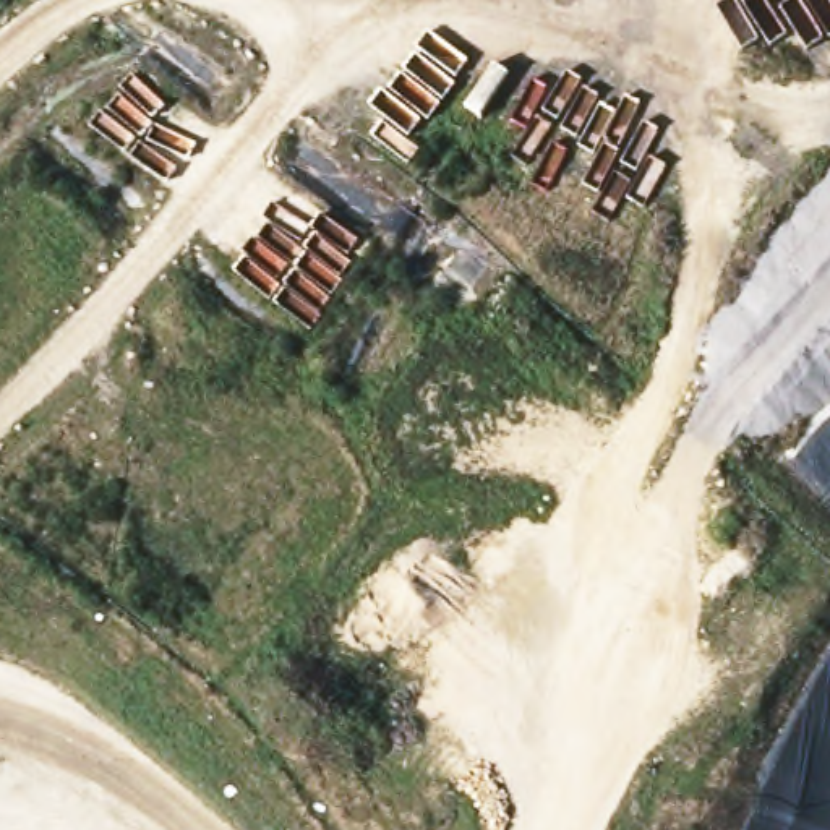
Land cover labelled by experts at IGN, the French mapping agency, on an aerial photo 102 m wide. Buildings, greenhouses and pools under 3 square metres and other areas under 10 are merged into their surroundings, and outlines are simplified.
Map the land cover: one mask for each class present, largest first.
<instances>
[{"label":"pervious surface","instance_id":"1","mask_svg":"<svg viewBox=\"0 0 830 830\"><path fill-rule=\"evenodd\" d=\"M94 16L104 23V32L117 36L123 45L120 52L97 55L58 78H49L42 97L23 107L0 133V159L10 162L16 152L19 143L32 136L52 146L62 162H78L94 175V182L110 185V165L91 156L81 139L62 130L68 120L78 117L81 101L88 94L110 91L120 110L117 117H101V123L113 136H120V156L126 159L120 175L130 185L123 195L126 208L97 230L104 240L78 263V279L84 282V305L36 350V357L16 376H10L0 386V428L13 431L29 409H36L55 386L65 383L68 373H78L84 383H94L101 402L117 399L120 389L110 379L107 340L113 337L123 314H133L136 295L169 263H175V256L188 246L195 233H204L211 243L227 250L230 266H240V276L253 282L259 292H279V305L305 324H314L327 298L337 295V282L347 272V266L360 263L370 253L366 237L373 230L386 246L409 253L402 269L412 282V292H421L434 282H454L460 285L464 302H477V282L486 272H503L506 259L486 243H480L473 233H457L447 220L434 214L431 201L418 188V162L412 159L415 143L409 136L421 120H431L460 101L470 113L486 110L493 117H503V126L509 130L512 143L503 149V156L512 159V165H532V178L538 188L554 191L561 178L571 172L574 159L587 162V182L600 188L593 214L619 220L626 204H652L665 214L668 224L661 230V240L671 253H684V266L674 292L671 331L661 340L652 379L635 396V402H629L613 425L597 428L564 405L545 399H519L525 415L522 425L499 418L496 438L464 447L454 457V470L460 473H522L538 483H548L541 490L535 512L528 519H516L509 528L499 532H473L470 538L441 541L418 538L409 548H402L392 561H386L373 577H366L357 587V610L347 616V623L334 629V635L353 652H357L396 648L399 671L392 674V746L405 749L428 739V772H444L454 778V785L480 811L483 830H606L642 762H674L694 768L697 759L710 749L713 736L726 729V720L739 717L742 710L755 713V729L749 742L739 746V762L729 775V785L713 788L704 798V804H710V814L681 830H830V593L824 597L817 587H788L781 597H739L729 587V580L736 574H746L759 554L772 558L778 551L781 528L768 525L762 535L759 528L746 525L742 538L733 548H726L707 528L717 525V516L729 506L726 480L720 473V457L726 444L739 434H775L798 415H807L811 425L804 438L794 447L781 451V460L788 467L778 473L772 490L794 503V509L811 528L830 535V172L820 185H814V191L798 208L785 204V195L794 188L801 156L817 146H830V0H0V84L16 88V75L26 65L42 62L52 42H58L68 29L91 23ZM775 42H791L801 55H807L814 62V78L794 84L788 75H781L765 55ZM379 334L376 311H370V318L360 324L357 340L350 347V363L363 370L370 347ZM311 428L324 434L340 464L350 470L353 512L363 516L370 493L363 483V470L344 444V434L321 412H314ZM0 830H237L172 768L156 762L123 729L91 713L71 694L23 671L19 665L0 668Z\"/></svg>","mask_w":830,"mask_h":830},{"label":"herbaceous vegetation","instance_id":"2","mask_svg":"<svg viewBox=\"0 0 830 830\"><path fill-rule=\"evenodd\" d=\"M123 45L117 36L104 32V23L94 16L91 23L68 29L58 42H52L42 62L26 65L16 75V88L0 84V133L23 107L42 97L49 78H58L97 55L120 52ZM120 110L110 91L88 94L81 101L78 117L68 120L62 130L81 139L91 156L110 165V185L123 195L130 185L120 175L126 159L120 156V136H113L101 123V117H117ZM431 130V136H454L470 152L473 172L457 185L444 188L438 185V175L418 169V188L431 201L434 214L447 220L457 233H473L480 243H486L506 259L503 272H486L477 282V302H464L460 285L454 282H434L421 292V298L409 305L399 295H389V305L376 311L379 334L370 347L363 370L360 396H344L337 386L324 379V357L289 353L285 334H298L305 324L279 305V292H259L253 282L240 276V266H230L227 250L211 243L204 233H195L188 246L175 256V263H169L136 295L133 314H123L113 337L107 340L110 379L120 389L117 399L101 402L94 383H84L78 373H68L65 383L55 386L36 409H29L13 431L0 428V668L19 665L23 671L71 694L91 713L123 729L156 762L172 768L237 830H483L480 811L454 785V778L444 772H428V739L405 749L392 746V752L386 759H376L370 772H357L344 713L321 697L298 700L289 684H282L279 671L285 668V658L295 648L314 658L337 661H344L353 652L334 635V629L347 623V616L357 610V587L366 577H373L386 561H392L402 548H409L418 538L441 541L470 538L473 532H499L509 528L516 519H528L535 512L541 490L548 483H538L522 473H460L454 470V457L464 447L496 438L499 418L522 425L525 415L519 399H545L564 405L597 428L613 425L629 402H635V396L652 379L661 340L671 331L674 292L684 266V253H671L661 240V230L668 224L665 214L652 204H626L619 220L593 214L600 188L587 182V162L574 159L571 172L561 178L554 191L538 188L532 178V165H512V159L503 156V149L512 143L509 130L503 126V117H493L486 110L470 113L460 101L431 120H421ZM314 412H321L344 434V444L363 470V483L370 493L363 516L353 512L350 470L340 464L324 434L311 428ZM117 477L130 480L126 506H139L152 519V525L146 528L149 551L172 558L182 574H198L204 587L214 593V603H201L195 613L182 619L175 632L139 610V597L133 593L136 574L126 567L123 554L126 522H91L78 541L58 532V519L68 509V503H84L104 480ZM26 528L42 545L75 561L88 577H94L110 593L101 613L75 587L58 584L42 558L23 551L19 538ZM39 169L29 156L16 152L10 162L0 159V386L10 376H16L36 357V350L84 305V282L78 279V263L104 240L97 230L94 220L84 217L71 201L32 188V175ZM811 425L807 415H798L775 434H739L726 444L720 457V473L726 480L729 506L717 516V525L707 528L726 548H733L742 538L746 525L759 528L762 535L768 525L781 528L778 551L772 558L759 554L746 574H736L729 580V587L739 597H781L788 587H817L824 597L830 593V535L811 528L794 509V503L772 490L778 473L788 467L781 460V451L794 447L804 438ZM357 678L363 684H386L392 691V674L399 671L396 648L357 652L350 658ZM755 729V713L742 710L739 717L726 720V729L713 736L710 749L697 759L694 768L674 762H642L606 830H681L710 814V804H704V798L713 788L729 785V775L739 762V746L749 742Z\"/></svg>","mask_w":830,"mask_h":830},{"label":"brushwood","instance_id":"3","mask_svg":"<svg viewBox=\"0 0 830 830\"><path fill-rule=\"evenodd\" d=\"M765 55L781 75H788L794 84L814 78V62L807 55H801L791 42H775ZM415 143L412 159L418 162V169L438 175V185L444 188L457 185L473 172L470 152L454 136H431V130L421 120L409 136ZM16 152L29 156L39 169L32 175V188L71 201L84 217L94 220L97 230L126 208L123 195L110 185L94 182V175L78 162H62L52 146L32 136L19 143ZM830 172V146H817L801 156L794 188L785 195V204L798 208L814 191V185H820ZM370 253L360 263L347 266V272L337 282V295L327 298L314 324H305L298 334H285L289 353L324 357V379L337 386L344 396H360L363 370L350 363V347L357 340L360 324L370 318V311H376L389 305V295H399L409 305L421 298V292H412V282L402 269L409 253L386 246L373 230L366 237ZM130 480L117 477L104 480L84 503H68V509L58 519V532L78 541L91 522H126L123 554L126 567L136 574L133 593L139 597V610L175 632L182 619L195 613L201 603H214V593L204 587L198 574H182L172 558L149 551L146 528L152 525V519L139 506H126ZM23 551L42 558L58 584L75 587L101 613L110 593L94 577H88L75 561L42 545L26 528L19 538ZM357 652H353L344 661H337L314 658L295 648L285 658V668L279 671L282 684H289L298 700L321 697L344 713L357 772H370L376 759H386L392 752V691L386 684H363L357 678L350 658Z\"/></svg>","mask_w":830,"mask_h":830}]
</instances>
